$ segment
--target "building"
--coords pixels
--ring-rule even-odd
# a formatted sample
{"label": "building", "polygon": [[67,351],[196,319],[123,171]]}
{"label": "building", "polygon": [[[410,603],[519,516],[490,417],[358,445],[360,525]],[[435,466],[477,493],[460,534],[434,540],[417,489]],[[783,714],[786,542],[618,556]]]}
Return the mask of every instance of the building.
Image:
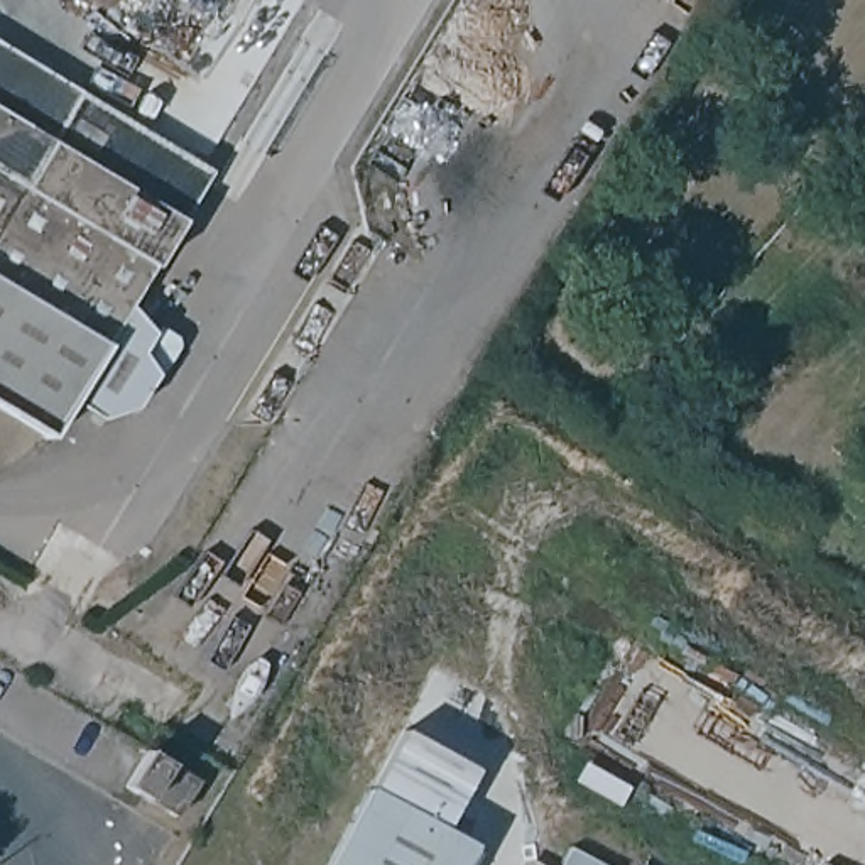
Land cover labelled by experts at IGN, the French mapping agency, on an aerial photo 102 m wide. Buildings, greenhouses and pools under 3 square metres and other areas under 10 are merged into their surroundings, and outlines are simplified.
{"label": "building", "polygon": [[162,328],[142,311],[142,301],[155,274],[179,253],[193,226],[186,209],[196,199],[203,176],[216,179],[216,166],[166,139],[162,132],[142,125],[139,118],[125,115],[122,108],[101,101],[98,95],[88,95],[78,81],[51,68],[47,61],[0,37],[0,416],[7,416],[10,422],[24,426],[41,439],[54,439],[54,429],[61,429],[61,422],[78,419],[78,409],[91,416],[95,402],[112,419],[142,412],[149,405],[155,385],[162,382],[162,368],[152,358],[152,348]]}
{"label": "building", "polygon": [[125,787],[139,801],[145,804],[159,797],[166,808],[182,814],[193,804],[199,804],[199,777],[189,774],[182,784],[172,784],[179,760],[172,760],[169,753],[155,753],[145,774],[135,767]]}
{"label": "building", "polygon": [[399,733],[392,740],[368,794],[355,808],[328,865],[476,865],[483,845],[460,831],[460,818],[480,784],[483,767],[419,733]]}

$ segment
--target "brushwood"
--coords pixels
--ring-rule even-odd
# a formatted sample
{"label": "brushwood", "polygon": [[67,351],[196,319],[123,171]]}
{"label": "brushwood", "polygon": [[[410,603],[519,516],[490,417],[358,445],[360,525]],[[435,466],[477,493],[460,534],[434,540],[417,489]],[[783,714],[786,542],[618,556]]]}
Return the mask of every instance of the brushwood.
{"label": "brushwood", "polygon": [[169,588],[193,568],[179,554],[169,564],[162,564],[152,578],[132,588],[108,608],[88,608],[84,628],[105,632],[118,618],[132,615],[142,601]]}

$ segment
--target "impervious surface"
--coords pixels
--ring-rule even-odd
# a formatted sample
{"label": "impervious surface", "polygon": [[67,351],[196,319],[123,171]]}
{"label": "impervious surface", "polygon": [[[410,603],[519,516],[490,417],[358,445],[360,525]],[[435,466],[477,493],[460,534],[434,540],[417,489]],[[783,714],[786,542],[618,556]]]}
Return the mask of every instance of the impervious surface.
{"label": "impervious surface", "polygon": [[463,679],[446,669],[429,669],[419,699],[409,710],[419,720],[419,733],[483,767],[480,784],[460,818],[460,831],[483,845],[476,865],[605,865],[595,855],[581,851],[585,838],[581,811],[558,794],[558,781],[544,764],[547,723],[530,720],[517,710],[514,649],[524,601],[517,598],[487,591],[490,639],[483,676]]}
{"label": "impervious surface", "polygon": [[696,811],[703,831],[716,841],[747,851],[747,858],[753,851],[764,851],[787,865],[865,865],[865,767],[858,767],[851,757],[838,757],[835,743],[814,737],[814,730],[781,716],[774,710],[774,696],[753,686],[750,679],[730,669],[713,669],[713,676],[716,683],[740,689],[737,699],[726,699],[679,676],[659,659],[642,652],[635,642],[615,642],[615,656],[601,669],[601,693],[595,699],[588,696],[581,703],[581,723],[574,720],[568,726],[568,737],[578,740],[585,747],[585,757],[591,760],[581,770],[581,784],[615,804],[628,801],[628,787],[645,787],[659,814]]}
{"label": "impervious surface", "polygon": [[[581,135],[601,139],[601,128],[591,122],[595,112],[608,112],[612,118],[628,122],[642,112],[649,98],[649,74],[666,51],[666,41],[679,37],[679,27],[689,24],[689,10],[699,0],[0,0],[0,37],[47,61],[51,68],[78,81],[88,95],[98,95],[101,101],[122,108],[125,115],[139,118],[142,125],[162,132],[166,139],[216,166],[216,179],[203,176],[196,199],[186,209],[193,226],[179,253],[155,274],[142,301],[142,311],[162,328],[152,348],[152,358],[162,368],[162,382],[155,385],[149,405],[142,412],[112,419],[95,402],[91,416],[78,409],[78,419],[61,422],[61,429],[54,429],[54,439],[41,439],[20,463],[0,466],[0,865],[112,865],[112,845],[118,838],[112,828],[105,828],[105,821],[118,821],[128,814],[122,811],[122,801],[135,808],[139,801],[125,787],[135,767],[145,750],[132,747],[122,733],[115,733],[122,703],[135,699],[145,706],[152,720],[166,720],[189,723],[196,716],[209,716],[223,723],[253,706],[264,683],[270,686],[280,672],[291,672],[297,666],[297,642],[314,632],[328,605],[338,598],[338,585],[348,561],[358,558],[365,544],[378,537],[375,530],[385,520],[392,500],[389,483],[412,476],[412,463],[422,456],[436,439],[436,426],[446,405],[463,392],[473,362],[483,355],[493,328],[524,294],[547,243],[564,230],[578,206],[571,196],[544,196],[551,169]],[[169,588],[142,601],[132,615],[118,618],[105,632],[84,628],[88,608],[108,608],[132,588],[128,571],[122,564],[149,558],[149,544],[155,541],[159,527],[186,497],[193,476],[213,460],[230,426],[253,422],[274,439],[260,456],[257,470],[250,473],[247,487],[240,490],[240,497],[233,500],[230,514],[216,527],[216,534],[203,530],[203,541],[196,547],[182,547],[179,554],[193,568]]]}

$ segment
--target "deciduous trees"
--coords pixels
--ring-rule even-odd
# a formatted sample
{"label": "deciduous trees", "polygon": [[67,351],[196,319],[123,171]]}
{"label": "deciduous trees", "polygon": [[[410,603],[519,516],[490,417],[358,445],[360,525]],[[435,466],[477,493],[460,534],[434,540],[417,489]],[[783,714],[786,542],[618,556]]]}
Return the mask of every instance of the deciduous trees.
{"label": "deciduous trees", "polygon": [[122,733],[132,747],[145,750],[155,750],[162,737],[169,737],[166,720],[152,720],[145,706],[135,699],[122,703],[115,733]]}
{"label": "deciduous trees", "polygon": [[858,470],[865,483],[865,429],[848,433],[841,443],[841,456]]}
{"label": "deciduous trees", "polygon": [[[824,537],[835,520],[821,517],[821,510],[811,507],[811,497],[801,487],[781,483],[774,473],[747,470],[737,456],[723,453],[720,446],[720,422],[733,419],[747,392],[747,378],[740,368],[710,368],[699,345],[706,341],[710,324],[693,314],[696,307],[686,304],[686,294],[672,277],[679,243],[666,216],[679,213],[679,206],[689,203],[686,182],[693,176],[683,169],[679,145],[659,132],[656,118],[679,95],[703,95],[699,81],[710,78],[710,95],[720,95],[723,112],[716,128],[720,172],[737,176],[740,189],[747,193],[753,193],[760,182],[770,182],[781,199],[781,213],[787,213],[791,223],[804,226],[808,237],[831,240],[835,247],[851,247],[865,233],[865,128],[855,132],[858,118],[851,112],[841,112],[828,118],[828,125],[818,132],[794,132],[794,125],[784,118],[784,91],[801,61],[784,41],[774,41],[767,34],[767,27],[760,24],[764,10],[757,0],[699,0],[689,10],[689,24],[679,27],[679,37],[666,41],[666,51],[649,74],[649,98],[642,112],[628,122],[622,139],[615,142],[615,152],[598,155],[595,169],[588,172],[591,193],[578,206],[564,230],[547,243],[524,294],[493,328],[483,355],[473,362],[463,392],[446,405],[436,426],[436,439],[422,456],[436,470],[460,456],[466,460],[466,470],[436,503],[439,520],[433,520],[429,530],[402,554],[392,574],[402,578],[409,598],[422,588],[422,574],[429,568],[476,574],[483,564],[493,561],[493,554],[483,541],[483,524],[473,524],[470,510],[497,514],[503,487],[527,497],[527,483],[537,483],[554,500],[554,507],[561,507],[561,520],[554,520],[554,527],[541,537],[541,547],[527,554],[517,598],[524,601],[514,649],[517,710],[530,720],[547,723],[544,764],[558,781],[558,794],[581,811],[585,838],[595,838],[628,858],[659,858],[662,865],[787,865],[764,851],[753,851],[747,858],[747,851],[716,841],[703,831],[696,811],[659,814],[645,787],[628,787],[628,801],[615,804],[581,784],[581,770],[591,760],[585,757],[585,747],[578,740],[568,737],[568,726],[574,720],[581,723],[581,703],[588,696],[595,699],[601,693],[601,669],[615,656],[615,642],[635,642],[642,652],[659,659],[669,645],[689,645],[703,656],[699,672],[713,676],[713,669],[730,669],[750,679],[753,686],[774,696],[774,710],[781,716],[814,730],[814,737],[835,743],[838,757],[851,757],[858,767],[865,767],[865,706],[855,699],[855,693],[845,686],[838,672],[824,672],[818,666],[794,669],[787,662],[787,652],[764,645],[750,628],[737,625],[716,598],[693,595],[683,581],[686,561],[672,558],[669,551],[656,547],[632,527],[625,527],[625,510],[615,500],[649,507],[693,541],[720,551],[723,558],[733,558],[740,571],[764,581],[777,598],[794,605],[797,612],[828,622],[848,645],[858,639],[865,645],[865,568],[824,551]],[[554,318],[564,321],[574,345],[581,345],[598,362],[612,362],[612,399],[598,409],[588,402],[585,392],[571,392],[558,372],[541,372],[537,365],[534,345],[551,335]],[[558,453],[544,446],[547,436],[564,439],[585,456],[605,460],[608,470],[571,470]]]}
{"label": "deciduous trees", "polygon": [[253,733],[264,743],[270,743],[270,737],[277,733],[277,720],[291,713],[291,703],[311,676],[311,666],[297,666],[291,672],[280,672],[270,686],[277,689],[277,696],[264,699],[264,716]]}
{"label": "deciduous trees", "polygon": [[841,280],[835,274],[821,274],[818,280],[791,287],[784,301],[770,311],[770,324],[784,324],[791,335],[791,348],[808,348],[811,362],[838,351],[841,341],[848,341],[848,331],[865,324],[865,311],[845,304],[845,297],[838,294]]}
{"label": "deciduous trees", "polygon": [[348,787],[355,753],[341,753],[338,747],[331,747],[331,737],[321,723],[304,723],[294,726],[287,764],[274,770],[277,777],[264,801],[274,804],[280,794],[287,794],[307,821],[328,821],[328,808]]}

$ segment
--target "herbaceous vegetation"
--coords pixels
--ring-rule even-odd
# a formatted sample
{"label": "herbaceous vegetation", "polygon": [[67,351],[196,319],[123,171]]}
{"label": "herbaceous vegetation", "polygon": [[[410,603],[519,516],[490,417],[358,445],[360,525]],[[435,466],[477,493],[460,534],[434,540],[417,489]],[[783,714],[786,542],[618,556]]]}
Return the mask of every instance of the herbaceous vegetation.
{"label": "herbaceous vegetation", "polygon": [[605,865],[662,865],[659,858],[628,858],[595,838],[585,838],[581,851],[595,855]]}
{"label": "herbaceous vegetation", "polygon": [[784,118],[794,125],[794,132],[818,132],[828,125],[828,118],[841,112],[851,112],[858,118],[855,132],[865,128],[865,0],[757,0],[764,10],[760,24],[767,27],[767,34],[774,41],[784,41],[801,61],[784,91]]}
{"label": "herbaceous vegetation", "polygon": [[274,439],[253,422],[230,426],[213,460],[193,476],[186,497],[159,527],[155,541],[149,544],[149,558],[122,564],[128,571],[132,588],[152,578],[162,564],[169,564],[179,554],[182,547],[196,547],[203,541],[203,530],[216,534],[216,527],[230,514],[233,500],[240,497],[240,490],[247,487],[250,473],[257,470],[260,456]]}
{"label": "herbaceous vegetation", "polygon": [[554,318],[551,335],[534,345],[537,365],[541,372],[558,372],[571,392],[585,392],[588,402],[598,409],[612,399],[612,362],[598,362],[581,345],[574,345],[564,321]]}
{"label": "herbaceous vegetation", "polygon": [[588,172],[595,169],[598,155],[615,152],[615,142],[622,139],[628,122],[612,118],[608,112],[595,112],[591,122],[601,128],[601,139],[581,135],[551,169],[544,196],[571,196],[578,206],[591,193]]}
{"label": "herbaceous vegetation", "polygon": [[564,439],[547,436],[544,446],[558,453],[571,470],[608,470],[605,460],[585,456]]}
{"label": "herbaceous vegetation", "polygon": [[[490,639],[487,591],[517,598],[527,554],[541,547],[541,537],[554,527],[554,520],[561,520],[561,507],[554,507],[554,500],[537,483],[527,483],[527,497],[503,487],[497,514],[470,510],[473,524],[483,524],[483,541],[493,554],[493,561],[483,564],[476,574],[429,568],[422,574],[422,588],[409,598],[402,578],[392,574],[402,554],[429,530],[433,520],[439,520],[436,503],[466,470],[466,460],[460,456],[436,470],[422,456],[412,463],[412,476],[389,483],[392,500],[385,520],[375,530],[378,537],[365,544],[358,558],[348,561],[338,585],[338,598],[328,605],[314,632],[297,642],[297,666],[311,666],[311,676],[291,703],[291,713],[277,720],[277,733],[270,737],[270,743],[264,743],[253,733],[264,716],[264,699],[277,696],[277,689],[270,686],[264,683],[253,706],[223,723],[209,716],[196,716],[189,723],[166,720],[169,737],[162,737],[155,750],[145,750],[135,767],[145,774],[155,753],[169,753],[172,760],[179,760],[172,784],[182,784],[189,774],[199,777],[199,804],[193,804],[182,814],[166,808],[159,797],[145,804],[139,801],[135,808],[122,801],[122,811],[128,814],[118,821],[105,821],[105,828],[112,828],[118,838],[112,845],[112,865],[328,865],[355,808],[368,794],[392,740],[399,733],[419,733],[419,720],[409,710],[419,699],[429,669],[446,669],[463,679],[483,676]],[[321,723],[331,737],[331,747],[338,747],[341,753],[355,753],[348,787],[328,808],[328,821],[307,821],[287,794],[280,794],[274,804],[264,801],[277,777],[274,770],[287,764],[294,726],[304,723]]]}
{"label": "herbaceous vegetation", "polygon": [[855,693],[855,699],[865,706],[865,645],[858,639],[848,645],[828,622],[797,612],[794,605],[777,598],[764,581],[740,571],[733,558],[723,558],[720,551],[693,541],[649,507],[615,500],[625,510],[625,527],[632,527],[656,547],[669,551],[672,558],[686,561],[683,581],[693,595],[716,598],[737,625],[750,628],[764,645],[787,652],[787,662],[794,669],[818,666],[824,672],[838,672],[845,686]]}
{"label": "herbaceous vegetation", "polygon": [[10,422],[7,416],[0,416],[0,466],[20,463],[41,439],[24,426]]}
{"label": "herbaceous vegetation", "polygon": [[669,645],[659,659],[679,676],[726,699],[737,699],[740,689],[716,683],[713,676],[699,672],[703,656],[689,645]]}
{"label": "herbaceous vegetation", "polygon": [[699,81],[703,95],[679,95],[656,118],[659,132],[679,145],[683,169],[693,176],[686,182],[689,203],[679,206],[679,213],[666,216],[679,243],[672,277],[686,294],[686,304],[696,307],[693,314],[710,324],[706,341],[699,345],[710,368],[740,368],[747,378],[747,392],[733,419],[720,422],[720,446],[723,453],[737,456],[747,470],[774,473],[781,483],[801,487],[811,497],[811,507],[821,510],[821,517],[835,520],[824,537],[824,551],[865,568],[865,483],[858,470],[841,456],[841,443],[848,433],[865,429],[865,324],[848,331],[848,341],[841,341],[838,351],[811,362],[808,348],[791,348],[791,335],[784,324],[770,324],[770,311],[784,301],[791,287],[818,280],[821,274],[835,274],[841,280],[838,294],[845,297],[845,304],[865,311],[865,233],[851,247],[835,247],[831,240],[808,237],[804,226],[791,223],[787,213],[781,213],[781,199],[770,182],[760,182],[753,193],[747,193],[740,189],[737,176],[720,172],[716,128],[723,112],[720,95],[710,95],[710,78]]}

